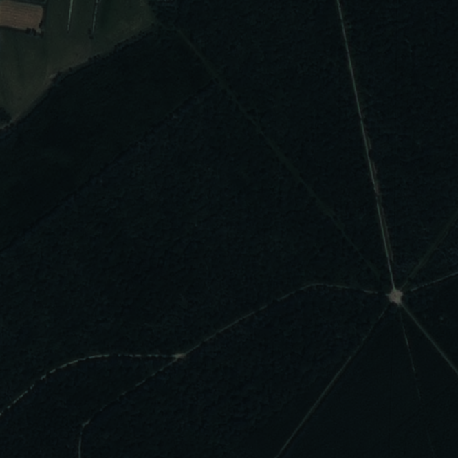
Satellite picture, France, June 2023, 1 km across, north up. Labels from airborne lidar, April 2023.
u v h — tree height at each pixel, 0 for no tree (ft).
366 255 55
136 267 72
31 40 0
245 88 61
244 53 55
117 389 66
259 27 61
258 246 51
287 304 77
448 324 39
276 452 39
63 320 58
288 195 57
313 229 61
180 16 62
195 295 65
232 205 48
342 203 54
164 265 66
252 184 71
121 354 0
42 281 65
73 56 0
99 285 75
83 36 0
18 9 0
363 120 0
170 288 69
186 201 61
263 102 68
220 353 63
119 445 64
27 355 50
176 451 69
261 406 77
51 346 70
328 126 63
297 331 66
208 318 62
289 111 62
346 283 48
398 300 0
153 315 68
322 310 65
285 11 63
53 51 0
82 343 47
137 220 61
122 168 68
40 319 55
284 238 58
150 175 52
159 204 57
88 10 0
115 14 0
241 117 60
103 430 72
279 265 51
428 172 53
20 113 0
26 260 64
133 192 72
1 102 0
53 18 0
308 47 61
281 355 73
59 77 34
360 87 19
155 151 61
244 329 60
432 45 67
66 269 62
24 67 0
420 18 60
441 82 73
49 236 78
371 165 0
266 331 73
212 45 66
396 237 50
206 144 62
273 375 81
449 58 67
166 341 52
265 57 58
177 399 77
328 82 69
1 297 75
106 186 63
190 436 74
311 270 59
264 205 68
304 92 72
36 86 0
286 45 67
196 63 33
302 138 63
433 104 65
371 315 62
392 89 73
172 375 65
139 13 0
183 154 71
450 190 55
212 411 74
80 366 65
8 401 62
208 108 57
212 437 72
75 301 59
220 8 65
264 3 66
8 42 0
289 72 61
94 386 69
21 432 59
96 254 62
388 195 59
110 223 79
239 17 72
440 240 0
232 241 66
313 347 61
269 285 67
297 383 62
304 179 61
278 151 0
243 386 73
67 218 59
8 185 34
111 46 0
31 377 48
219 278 53
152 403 67
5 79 0
